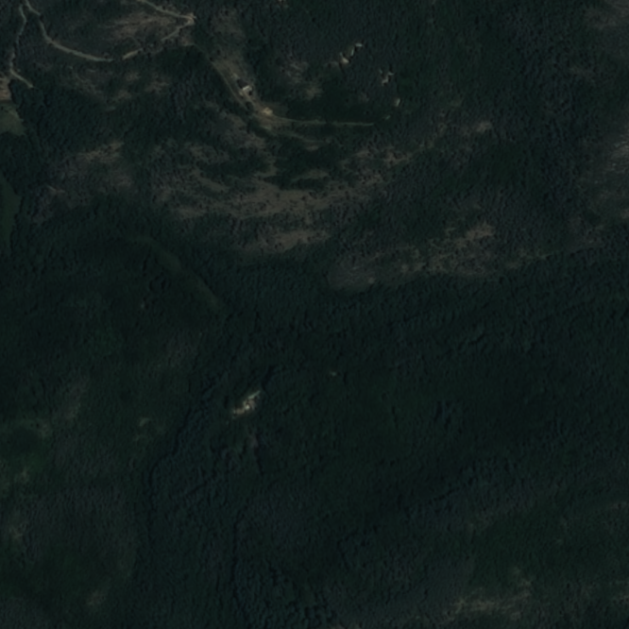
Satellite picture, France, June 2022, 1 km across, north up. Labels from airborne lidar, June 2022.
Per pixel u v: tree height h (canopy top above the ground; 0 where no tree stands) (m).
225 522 21
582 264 11
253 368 6
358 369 21
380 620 18
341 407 27
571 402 26
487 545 10
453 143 13
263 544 16
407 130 14
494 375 30
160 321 28
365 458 24
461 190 10
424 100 14
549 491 15
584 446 23
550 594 7
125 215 19
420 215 11
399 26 28
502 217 18
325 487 18
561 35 12
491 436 28
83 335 14
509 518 12
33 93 26
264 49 10
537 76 14
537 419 15
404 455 22
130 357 19
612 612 17
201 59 10
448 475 22
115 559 10
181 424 17
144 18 0
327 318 22
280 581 32
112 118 14
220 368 32
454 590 19
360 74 15
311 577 12
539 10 13
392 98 14
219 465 19
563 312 13
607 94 10
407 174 17
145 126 13
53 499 16
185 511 16
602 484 16
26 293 31
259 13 14
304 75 7
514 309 17
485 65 15
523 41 21
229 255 14
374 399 19
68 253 26
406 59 20
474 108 17
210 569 23
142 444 8
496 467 25
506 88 26
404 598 21
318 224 11
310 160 16
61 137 25
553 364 27
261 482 16
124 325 26
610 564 12
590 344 17
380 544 19
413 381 22
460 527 19
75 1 6
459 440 23
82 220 22
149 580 14
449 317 26
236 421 7
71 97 12
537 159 19
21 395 16
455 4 21
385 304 23
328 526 23
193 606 11
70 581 11
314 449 14
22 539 5
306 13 14
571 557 15
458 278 9
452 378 24
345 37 21
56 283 17
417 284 20
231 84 0
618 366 16
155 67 11
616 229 12
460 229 9
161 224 19
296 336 25
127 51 9
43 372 16
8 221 0
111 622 11
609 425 16
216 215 9
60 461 14
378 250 16
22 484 7
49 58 8
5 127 0
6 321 18
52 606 19
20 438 10
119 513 14
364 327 17
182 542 18
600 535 14
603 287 19
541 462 20
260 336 23
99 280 16
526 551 10
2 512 13
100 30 0
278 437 19
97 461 13
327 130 12
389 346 18
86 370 14
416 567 12
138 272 24
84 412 8
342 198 6
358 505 21
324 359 29
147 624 22
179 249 16
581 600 8
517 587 6
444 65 20
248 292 29
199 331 10
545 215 21
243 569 31
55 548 15
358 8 23
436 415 16
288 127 7
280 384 32
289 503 20
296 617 29
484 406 22
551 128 21
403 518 16
